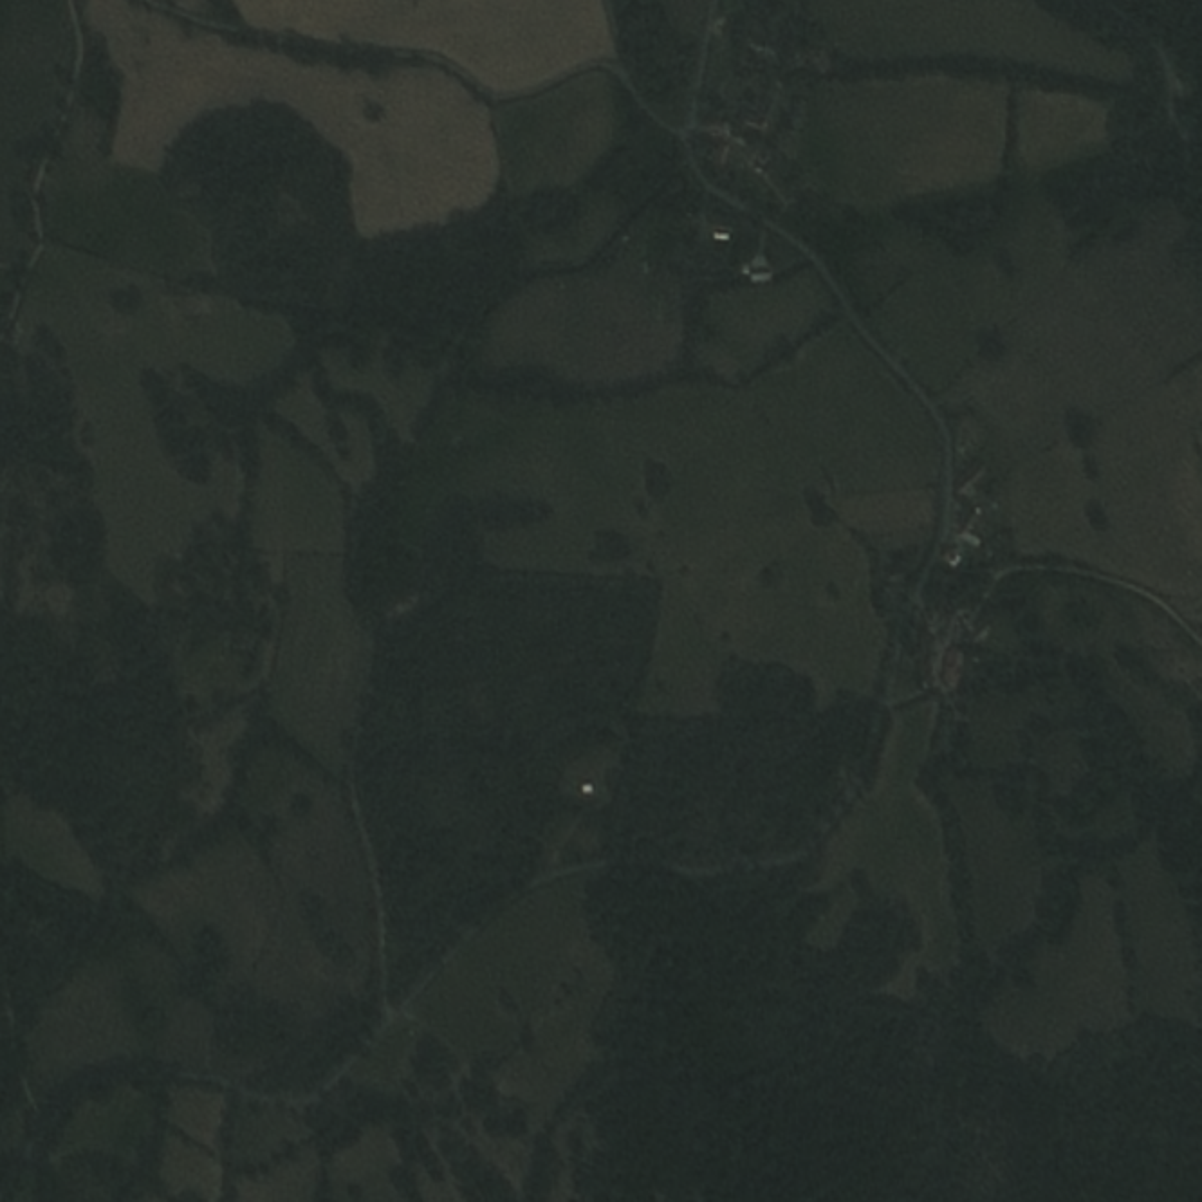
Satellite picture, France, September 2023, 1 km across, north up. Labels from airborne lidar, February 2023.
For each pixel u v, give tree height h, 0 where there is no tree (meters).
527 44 0
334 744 0
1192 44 10
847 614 0
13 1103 15
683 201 8
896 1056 9
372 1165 0
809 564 0
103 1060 0
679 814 8
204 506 0
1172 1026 10
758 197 0
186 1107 0
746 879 14
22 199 9
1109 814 0
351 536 9
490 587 8
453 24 0
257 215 7
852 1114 18
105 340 0
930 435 0
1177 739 0
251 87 0
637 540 0
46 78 0
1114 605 0
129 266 0
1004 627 0
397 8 0
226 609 12
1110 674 0
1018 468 0
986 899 0
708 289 10
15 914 12
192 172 6
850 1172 20
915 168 0
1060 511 0
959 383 0
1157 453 0
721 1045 0
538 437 0
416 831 7
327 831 0
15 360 12
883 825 0
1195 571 0
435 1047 12
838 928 0
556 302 0
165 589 0
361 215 0
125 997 0
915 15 0
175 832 0
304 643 0
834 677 0
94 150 0
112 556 0
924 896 0
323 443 0
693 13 0
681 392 0
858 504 0
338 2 0
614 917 14
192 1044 0
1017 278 0
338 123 0
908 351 0
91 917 13
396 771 6
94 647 0
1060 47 0
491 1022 0
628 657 8
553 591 7
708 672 0
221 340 0
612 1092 16
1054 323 0
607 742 8
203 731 0
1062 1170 16
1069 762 0
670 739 7
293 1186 0
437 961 10
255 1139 0
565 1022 0
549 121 0
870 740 11
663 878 18
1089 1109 8
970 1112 7
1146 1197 10
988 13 0
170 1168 0
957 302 0
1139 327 0
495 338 0
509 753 8
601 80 0
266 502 0
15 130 0
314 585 0
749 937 16
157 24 0
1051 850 14
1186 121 10
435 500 0
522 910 0
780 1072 6
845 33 0
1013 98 6
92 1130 0
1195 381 0
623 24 9
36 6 0
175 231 0
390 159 0
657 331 0
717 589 0
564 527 0
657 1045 16
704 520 0
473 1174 8
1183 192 11
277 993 0
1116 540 0
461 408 0
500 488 0
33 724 11
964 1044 11
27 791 15
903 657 0
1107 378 0
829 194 0
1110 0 12
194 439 8
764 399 0
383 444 10
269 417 16
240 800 9
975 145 0
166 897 0
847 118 0
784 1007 6
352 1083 9
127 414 0
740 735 9
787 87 10
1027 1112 13
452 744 8
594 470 0
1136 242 0
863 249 0
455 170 0
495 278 13
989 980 12
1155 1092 9
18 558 0
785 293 0
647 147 0
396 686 9
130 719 8
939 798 11
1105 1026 0
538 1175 16
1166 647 0
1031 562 7
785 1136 9
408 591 0
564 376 0
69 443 0
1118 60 0
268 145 7
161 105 0
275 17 0
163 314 0
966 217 12
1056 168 0
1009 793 10
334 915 0
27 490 0
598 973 0
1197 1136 14
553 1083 0
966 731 13
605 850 8
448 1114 10
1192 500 0
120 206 0
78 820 11
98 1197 0
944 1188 11
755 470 0
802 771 11
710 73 0
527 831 7
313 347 8
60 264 0
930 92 0
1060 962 0
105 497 0
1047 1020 0
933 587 11
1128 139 8
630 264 0
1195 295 0
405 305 20
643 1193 12
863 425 0
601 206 0
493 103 9
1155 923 0
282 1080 6
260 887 0
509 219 11
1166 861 12
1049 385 0
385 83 0
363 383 0
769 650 0
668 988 18
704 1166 20
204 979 13
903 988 0
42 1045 0
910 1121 9
